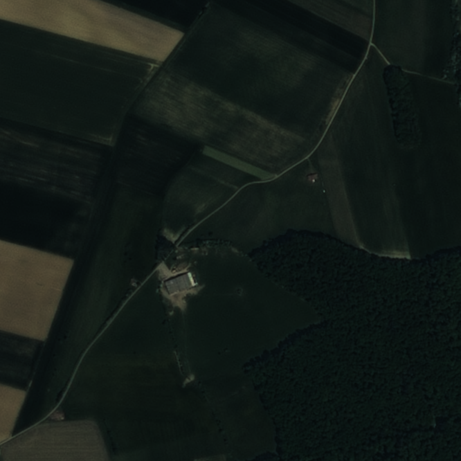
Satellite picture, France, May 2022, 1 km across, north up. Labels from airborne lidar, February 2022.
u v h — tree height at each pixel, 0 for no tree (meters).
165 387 0
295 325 0
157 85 0
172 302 0
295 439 26
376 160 0
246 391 0
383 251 0
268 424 0
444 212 0
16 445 0
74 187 0
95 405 0
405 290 25
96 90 0
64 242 0
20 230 0
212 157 0
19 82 0
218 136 0
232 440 0
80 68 0
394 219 0
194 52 0
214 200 0
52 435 0
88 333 0
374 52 0
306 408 25
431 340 27
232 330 0
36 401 0
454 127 0
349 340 21
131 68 0
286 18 0
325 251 27
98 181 0
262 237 0
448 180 0
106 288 0
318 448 27
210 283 0
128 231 0
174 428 0
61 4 0
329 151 0
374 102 0
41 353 0
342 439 28
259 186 0
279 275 22
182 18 0
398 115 24
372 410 24
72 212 0
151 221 0
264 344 0
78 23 0
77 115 0
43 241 0
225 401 0
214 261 0
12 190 0
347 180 0
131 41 0
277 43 0
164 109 0
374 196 0
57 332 0
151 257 0
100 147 0
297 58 0
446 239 0
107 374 0
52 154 0
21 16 0
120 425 0
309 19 0
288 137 0
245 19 0
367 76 0
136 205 0
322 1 0
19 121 0
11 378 0
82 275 0
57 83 0
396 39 0
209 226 0
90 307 0
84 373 0
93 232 0
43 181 0
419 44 0
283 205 0
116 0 0
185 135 0
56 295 0
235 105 0
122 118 0
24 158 0
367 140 0
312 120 0
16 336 0
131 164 0
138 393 0
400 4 0
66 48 0
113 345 0
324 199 0
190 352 0
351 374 24
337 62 0
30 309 0
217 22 0
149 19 0
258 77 0
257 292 0
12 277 0
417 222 0
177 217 0
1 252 0
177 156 0
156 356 0
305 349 26
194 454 0
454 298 34
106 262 0
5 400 0
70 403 0
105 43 0
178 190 0
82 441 0
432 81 0
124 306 0
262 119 0
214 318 0
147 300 0
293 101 0
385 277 25
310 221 0
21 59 0
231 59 0
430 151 0
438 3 0
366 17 0
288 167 0
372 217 0
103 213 0
